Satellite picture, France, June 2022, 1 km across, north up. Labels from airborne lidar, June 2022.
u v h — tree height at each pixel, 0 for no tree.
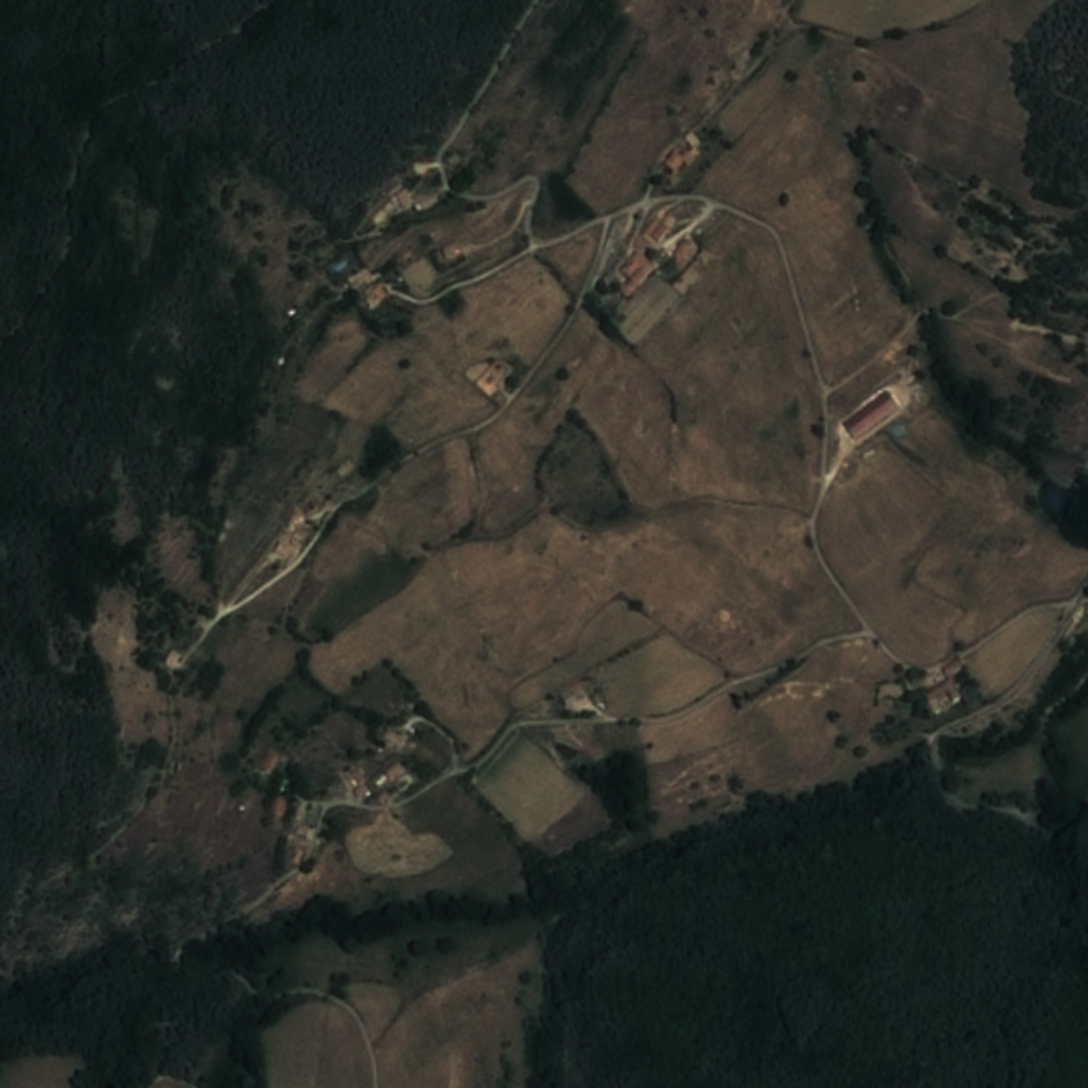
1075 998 11
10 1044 15
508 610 0
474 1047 0
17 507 20
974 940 14
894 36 11
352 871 0
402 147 5
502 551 0
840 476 0
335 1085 0
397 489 0
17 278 6
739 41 0
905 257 0
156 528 8
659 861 20
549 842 0
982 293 0
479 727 0
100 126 16
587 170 0
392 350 0
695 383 0
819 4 0
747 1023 13
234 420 9
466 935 0
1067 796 8
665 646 0
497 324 0
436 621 0
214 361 12
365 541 0
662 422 0
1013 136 0
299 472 7
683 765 0
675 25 0
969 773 0
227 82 14
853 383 0
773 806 28
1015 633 0
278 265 0
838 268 0
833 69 0
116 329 11
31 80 20
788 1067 13
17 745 14
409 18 20
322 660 0
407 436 0
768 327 0
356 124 16
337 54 19
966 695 14
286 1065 0
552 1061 8
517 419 0
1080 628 0
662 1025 6
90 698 10
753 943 12
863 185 13
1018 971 22
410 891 0
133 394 10
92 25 17
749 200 0
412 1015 0
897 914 12
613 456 0
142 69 9
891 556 0
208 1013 15
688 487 0
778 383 0
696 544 0
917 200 0
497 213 0
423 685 0
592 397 0
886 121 0
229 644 0
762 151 0
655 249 6
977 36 0
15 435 17
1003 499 0
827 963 16
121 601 0
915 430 0
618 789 16
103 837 9
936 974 18
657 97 0
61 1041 17
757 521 0
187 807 0
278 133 11
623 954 13
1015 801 12
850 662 0
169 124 15
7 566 20
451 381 0
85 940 0
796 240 0
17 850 14
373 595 0
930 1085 19
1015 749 6
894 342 0
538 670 0
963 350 0
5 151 17
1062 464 0
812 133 0
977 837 17
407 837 0
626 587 0
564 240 0
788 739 0
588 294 8
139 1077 17
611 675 0
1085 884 30
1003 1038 20
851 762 0
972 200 8
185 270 9
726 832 28
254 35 18
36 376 13
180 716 8
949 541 0
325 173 15
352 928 23
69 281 14
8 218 14
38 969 10
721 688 0
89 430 10
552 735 0
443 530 0
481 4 16
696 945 11
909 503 0
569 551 0
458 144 0
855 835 20
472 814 0
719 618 0
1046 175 6
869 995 15
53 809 11
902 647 0
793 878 20
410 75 17
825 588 0
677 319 0
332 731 0
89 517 14
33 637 14
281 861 10
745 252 0
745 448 0
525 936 0
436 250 5
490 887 0
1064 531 9
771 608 0
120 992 18
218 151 12
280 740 8
